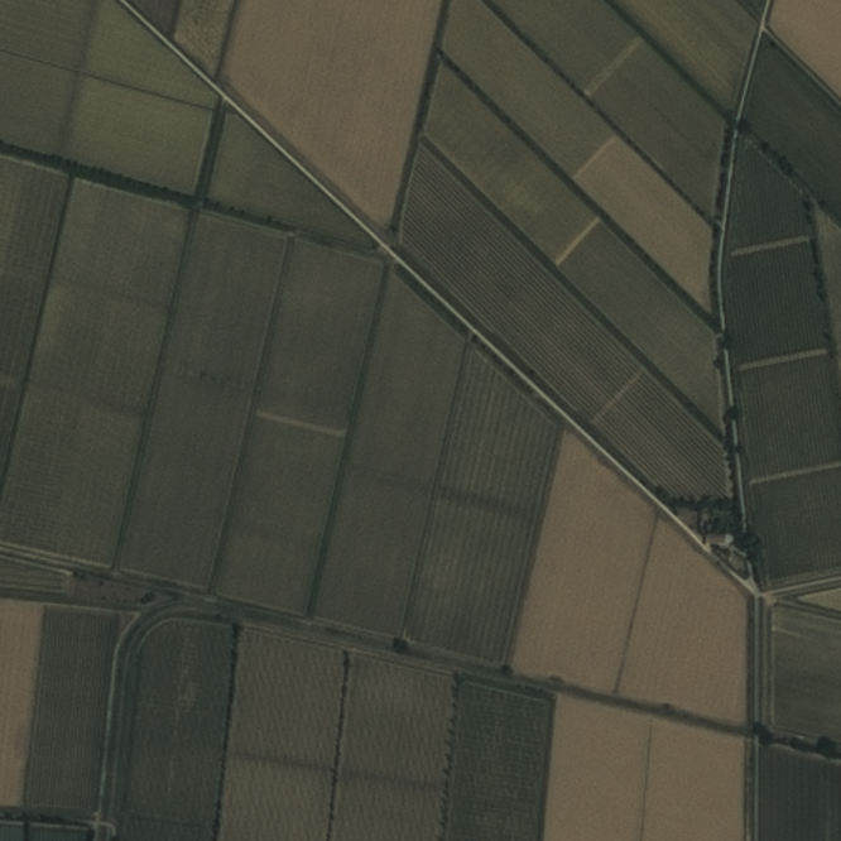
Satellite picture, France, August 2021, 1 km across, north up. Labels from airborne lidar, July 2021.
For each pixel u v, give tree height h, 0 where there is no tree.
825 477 0
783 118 0
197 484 0
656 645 0
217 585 0
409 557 0
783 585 0
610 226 0
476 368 0
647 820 0
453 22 0
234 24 0
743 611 0
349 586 0
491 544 0
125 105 0
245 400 0
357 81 0
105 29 0
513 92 0
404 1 0
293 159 0
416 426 0
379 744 0
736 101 0
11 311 0
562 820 0
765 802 0
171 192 7
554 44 0
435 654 0
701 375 0
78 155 0
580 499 0
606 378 0
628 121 0
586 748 0
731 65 0
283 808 0
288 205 0
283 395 0
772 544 0
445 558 0
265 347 0
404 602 0
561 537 0
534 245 0
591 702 0
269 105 0
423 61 0
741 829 0
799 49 0
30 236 0
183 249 0
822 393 0
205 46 0
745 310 0
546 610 0
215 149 0
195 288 0
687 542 0
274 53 0
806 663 0
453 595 0
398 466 0
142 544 0
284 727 0
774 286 0
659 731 0
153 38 0
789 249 0
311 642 0
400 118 0
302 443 0
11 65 0
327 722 0
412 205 0
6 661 0
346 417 0
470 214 0
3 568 0
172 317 0
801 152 0
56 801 0
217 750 0
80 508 0
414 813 0
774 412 0
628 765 0
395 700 0
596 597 0
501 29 0
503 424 0
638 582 0
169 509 0
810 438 0
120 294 0
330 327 0
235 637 7
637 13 0
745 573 8
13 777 0
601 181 0
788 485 0
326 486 0
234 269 0
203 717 0
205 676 0
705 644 0
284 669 0
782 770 0
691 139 0
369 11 0
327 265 0
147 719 0
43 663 0
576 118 0
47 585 0
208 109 0
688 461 0
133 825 0
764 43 0
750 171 0
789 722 0
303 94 0
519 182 0
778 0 0
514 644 0
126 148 0
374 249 0
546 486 0
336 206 0
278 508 0
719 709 0
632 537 0
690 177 0
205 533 0
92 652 0
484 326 0
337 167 0
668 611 0
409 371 0
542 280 0
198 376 0
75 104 0
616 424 0
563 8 0
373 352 0
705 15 0
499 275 0
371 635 0
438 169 0
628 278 0
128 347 0
